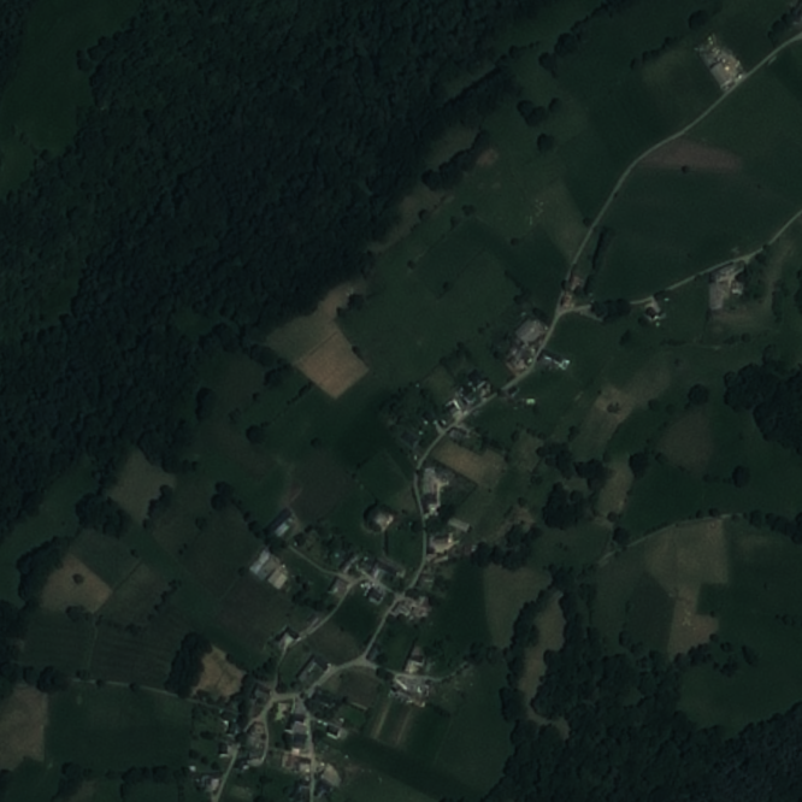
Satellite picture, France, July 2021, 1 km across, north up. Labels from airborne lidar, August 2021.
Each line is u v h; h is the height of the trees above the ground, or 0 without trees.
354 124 24
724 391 0
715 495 0
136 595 0
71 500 0
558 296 0
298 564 0
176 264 6
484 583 0
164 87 30
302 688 11
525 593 0
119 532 10
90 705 0
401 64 23
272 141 21
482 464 0
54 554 24
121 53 21
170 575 0
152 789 0
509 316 0
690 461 0
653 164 0
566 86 0
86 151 23
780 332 0
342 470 0
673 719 25
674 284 0
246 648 0
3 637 22
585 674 29
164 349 16
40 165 12
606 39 0
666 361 0
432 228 0
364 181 9
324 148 23
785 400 24
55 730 0
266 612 0
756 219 0
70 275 21
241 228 15
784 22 9
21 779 0
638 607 0
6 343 19
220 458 0
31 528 0
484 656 19
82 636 0
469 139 0
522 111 13
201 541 0
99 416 11
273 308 22
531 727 24
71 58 0
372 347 0
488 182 0
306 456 0
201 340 0
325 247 20
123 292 25
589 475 22
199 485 0
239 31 22
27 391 24
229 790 0
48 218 23
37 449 6
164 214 26
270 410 0
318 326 0
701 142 0
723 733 21
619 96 0
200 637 12
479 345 0
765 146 0
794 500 0
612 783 15
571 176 0
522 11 24
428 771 0
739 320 0
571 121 0
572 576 19
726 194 0
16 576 0
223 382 0
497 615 0
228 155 24
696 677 0
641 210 0
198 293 18
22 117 0
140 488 0
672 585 0
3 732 0
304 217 19
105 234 22
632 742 24
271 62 22
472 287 0
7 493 16
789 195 0
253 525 12
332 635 0
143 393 21
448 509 15
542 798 26
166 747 0
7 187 0
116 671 0
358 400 0
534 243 0
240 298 24
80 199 10
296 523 0
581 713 28
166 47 34
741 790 32
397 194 26
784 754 32
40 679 18
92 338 21
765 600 0
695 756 24
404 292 0
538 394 0
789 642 0
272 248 21
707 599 0
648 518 0
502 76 23
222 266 16
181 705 0
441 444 0
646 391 0
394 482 0
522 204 0
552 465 10
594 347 0
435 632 0
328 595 6
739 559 0
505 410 0
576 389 0
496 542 0
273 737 0
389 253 0
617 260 0
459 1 23
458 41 25
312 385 7
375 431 0
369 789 0
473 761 0
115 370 12
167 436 21
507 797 18
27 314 26
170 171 18
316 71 21
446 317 0
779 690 0
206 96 34
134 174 13
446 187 17
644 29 0
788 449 13
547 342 0
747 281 9
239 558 0
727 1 0
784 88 0
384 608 0
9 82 9
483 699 0
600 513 7
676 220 0
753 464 0
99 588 0
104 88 23
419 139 21
